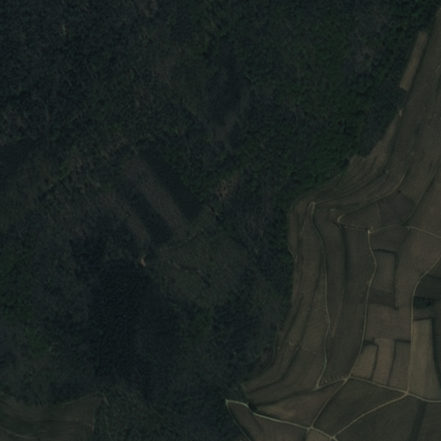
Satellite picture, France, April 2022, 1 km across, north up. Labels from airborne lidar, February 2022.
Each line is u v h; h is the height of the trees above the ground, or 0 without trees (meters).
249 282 19
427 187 0
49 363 16
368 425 0
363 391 0
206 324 14
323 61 26
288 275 19
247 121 14
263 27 13
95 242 30
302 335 0
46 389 19
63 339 23
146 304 21
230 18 30
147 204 22
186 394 20
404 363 0
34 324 17
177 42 21
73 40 23
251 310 14
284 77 23
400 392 0
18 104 26
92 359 26
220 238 11
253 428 0
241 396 15
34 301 23
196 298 9
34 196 13
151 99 25
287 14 26
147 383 25
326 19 28
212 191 18
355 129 32
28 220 17
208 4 29
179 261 11
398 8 26
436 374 0
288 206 27
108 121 23
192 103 17
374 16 21
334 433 0
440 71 0
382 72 35
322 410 0
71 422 0
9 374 17
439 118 0
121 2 29
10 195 17
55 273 31
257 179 29
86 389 20
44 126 20
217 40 29
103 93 29
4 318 18
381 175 0
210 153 27
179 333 20
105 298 37
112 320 34
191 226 14
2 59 28
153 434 11
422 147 0
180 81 20
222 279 17
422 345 0
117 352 28
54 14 27
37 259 30
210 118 15
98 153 29
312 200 0
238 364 14
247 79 14
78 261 31
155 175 20
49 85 25
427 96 0
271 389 0
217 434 21
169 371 23
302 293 0
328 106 26
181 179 18
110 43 28
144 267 14
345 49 16
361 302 0
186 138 10
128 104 27
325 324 0
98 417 7
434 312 0
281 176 22
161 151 18
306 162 14
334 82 25
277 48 26
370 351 0
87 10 22
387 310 0
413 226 0
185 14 27
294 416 0
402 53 19
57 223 33
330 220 0
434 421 0
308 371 0
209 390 16
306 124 19
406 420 0
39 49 25
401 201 0
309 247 0
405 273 0
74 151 28
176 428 6
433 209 0
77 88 29
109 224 20
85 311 25
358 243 0
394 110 23
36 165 14
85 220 22
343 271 0
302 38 30
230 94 16
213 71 15
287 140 20
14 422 0
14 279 21
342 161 22
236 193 18
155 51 20
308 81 24
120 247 21
